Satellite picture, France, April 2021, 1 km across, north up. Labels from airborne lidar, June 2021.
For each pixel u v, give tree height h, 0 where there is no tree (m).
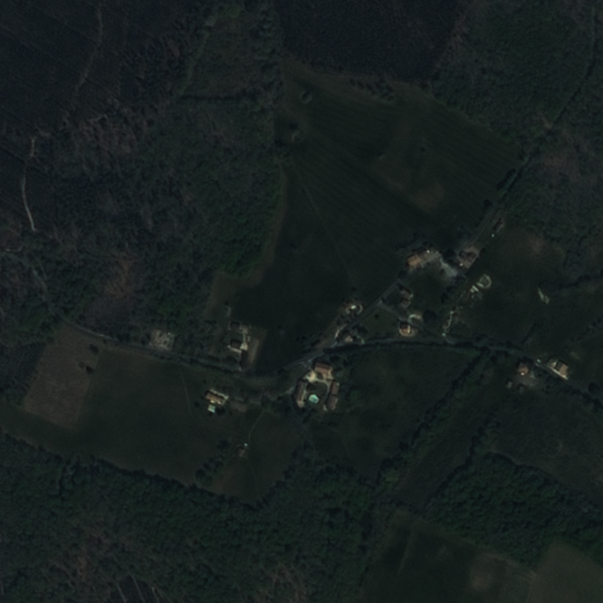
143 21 11
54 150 17
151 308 11
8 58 8
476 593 0
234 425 0
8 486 21
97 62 10
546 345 0
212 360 12
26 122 9
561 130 14
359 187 0
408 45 10
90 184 18
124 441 0
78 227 16
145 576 17
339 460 0
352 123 0
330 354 10
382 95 15
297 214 0
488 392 0
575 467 0
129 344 15
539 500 17
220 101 12
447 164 0
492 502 16
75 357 0
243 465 0
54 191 14
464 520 20
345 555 27
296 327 0
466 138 0
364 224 0
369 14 13
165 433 0
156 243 17
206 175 22
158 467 0
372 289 0
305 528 23
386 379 0
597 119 16
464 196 0
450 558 0
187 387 0
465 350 13
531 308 0
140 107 15
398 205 0
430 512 14
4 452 20
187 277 19
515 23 17
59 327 17
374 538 15
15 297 10
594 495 0
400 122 0
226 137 13
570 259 11
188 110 12
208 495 13
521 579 0
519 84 19
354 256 0
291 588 17
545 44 20
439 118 0
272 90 19
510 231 0
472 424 0
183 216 11
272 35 14
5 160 9
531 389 0
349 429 0
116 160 12
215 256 19
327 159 0
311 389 7
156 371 0
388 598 0
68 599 9
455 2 12
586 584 0
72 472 15
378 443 0
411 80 9
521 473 20
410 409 0
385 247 0
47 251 19
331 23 12
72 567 16
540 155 16
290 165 8
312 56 12
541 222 13
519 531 20
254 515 22
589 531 26
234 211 21
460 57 12
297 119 0
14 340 17
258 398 18
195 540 21
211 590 21
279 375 7
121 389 0
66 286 14
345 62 11
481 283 0
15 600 21
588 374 0
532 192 16
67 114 9
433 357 0
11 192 10
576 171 10
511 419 0
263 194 21
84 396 0
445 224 0
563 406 0
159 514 19
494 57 12
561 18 20
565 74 18
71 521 23
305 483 19
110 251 12
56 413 0
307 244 0
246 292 0
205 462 0
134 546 18
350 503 22
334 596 21
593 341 0
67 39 11
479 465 17
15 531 18
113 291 15
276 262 0
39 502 21
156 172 20
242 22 6
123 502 23
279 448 0
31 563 24
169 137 15
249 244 24
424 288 0
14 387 11
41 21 11
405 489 0
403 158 0
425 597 0
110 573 16
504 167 0
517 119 18
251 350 0
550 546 14
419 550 0
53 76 11
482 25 15
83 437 0
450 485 14
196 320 15
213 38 7
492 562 0
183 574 23
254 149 18
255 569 17
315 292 0
